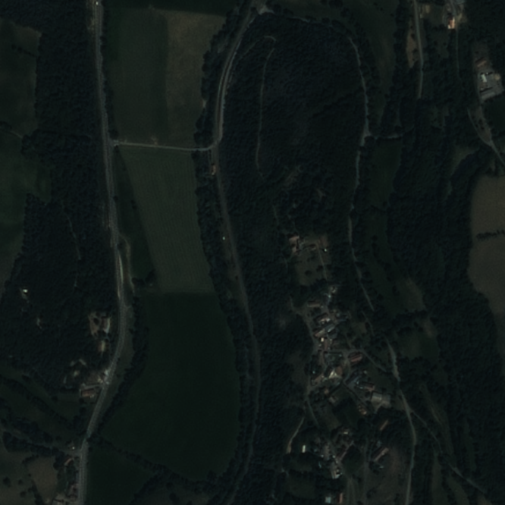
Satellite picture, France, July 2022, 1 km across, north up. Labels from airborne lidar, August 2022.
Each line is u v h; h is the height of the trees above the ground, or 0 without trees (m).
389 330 18
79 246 7
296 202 10
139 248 0
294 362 0
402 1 17
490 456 6
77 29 18
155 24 0
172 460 0
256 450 16
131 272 0
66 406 0
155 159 0
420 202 15
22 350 21
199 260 0
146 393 0
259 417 11
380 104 0
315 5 0
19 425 24
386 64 0
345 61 8
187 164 0
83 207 13
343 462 11
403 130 10
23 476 0
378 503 0
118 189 0
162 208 0
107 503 0
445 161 22
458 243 16
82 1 18
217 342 0
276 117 7
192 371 0
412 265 22
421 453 7
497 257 0
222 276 8
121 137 0
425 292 18
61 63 20
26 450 17
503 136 11
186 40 0
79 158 12
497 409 13
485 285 0
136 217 0
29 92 0
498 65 12
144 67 0
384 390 14
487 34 8
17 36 0
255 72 12
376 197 0
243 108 6
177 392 0
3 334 17
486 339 7
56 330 17
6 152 0
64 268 22
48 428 0
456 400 19
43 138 16
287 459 16
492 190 0
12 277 8
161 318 0
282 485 16
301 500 7
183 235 0
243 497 7
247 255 14
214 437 0
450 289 16
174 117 0
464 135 19
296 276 12
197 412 0
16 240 0
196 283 0
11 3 17
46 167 6
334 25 15
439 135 14
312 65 12
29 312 17
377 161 0
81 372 10
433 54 19
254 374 13
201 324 0
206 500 0
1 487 0
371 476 0
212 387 0
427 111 21
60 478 9
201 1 0
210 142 7
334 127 12
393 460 0
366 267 7
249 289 10
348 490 0
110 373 0
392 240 19
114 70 0
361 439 6
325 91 17
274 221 9
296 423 7
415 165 22
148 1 0
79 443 0
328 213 21
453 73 16
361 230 6
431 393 17
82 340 15
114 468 0
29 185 0
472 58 7
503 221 0
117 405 17
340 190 18
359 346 8
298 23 14
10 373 0
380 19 0
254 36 6
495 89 0
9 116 0
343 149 19
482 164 19
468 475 22
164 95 0
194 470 0
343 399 0
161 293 0
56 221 21
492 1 20
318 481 21
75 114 20
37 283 19
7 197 0
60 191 15
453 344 22
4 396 0
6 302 14
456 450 15
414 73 17
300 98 10
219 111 0
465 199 11
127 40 0
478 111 0
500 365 12
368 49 21
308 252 0
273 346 12
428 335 0
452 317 10
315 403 8
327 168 11
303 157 7
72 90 13
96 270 19
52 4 18
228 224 0
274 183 14
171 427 0
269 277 8
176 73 0
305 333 16
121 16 0
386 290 0
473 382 11
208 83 13
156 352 0
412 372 12
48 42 20
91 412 0
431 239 17
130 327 0
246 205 7
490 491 13
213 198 13
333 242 7
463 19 0
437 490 0
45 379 15
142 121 0
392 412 12
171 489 14
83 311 19
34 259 14
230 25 16
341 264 7
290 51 8
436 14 0
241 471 14
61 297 16
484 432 11
